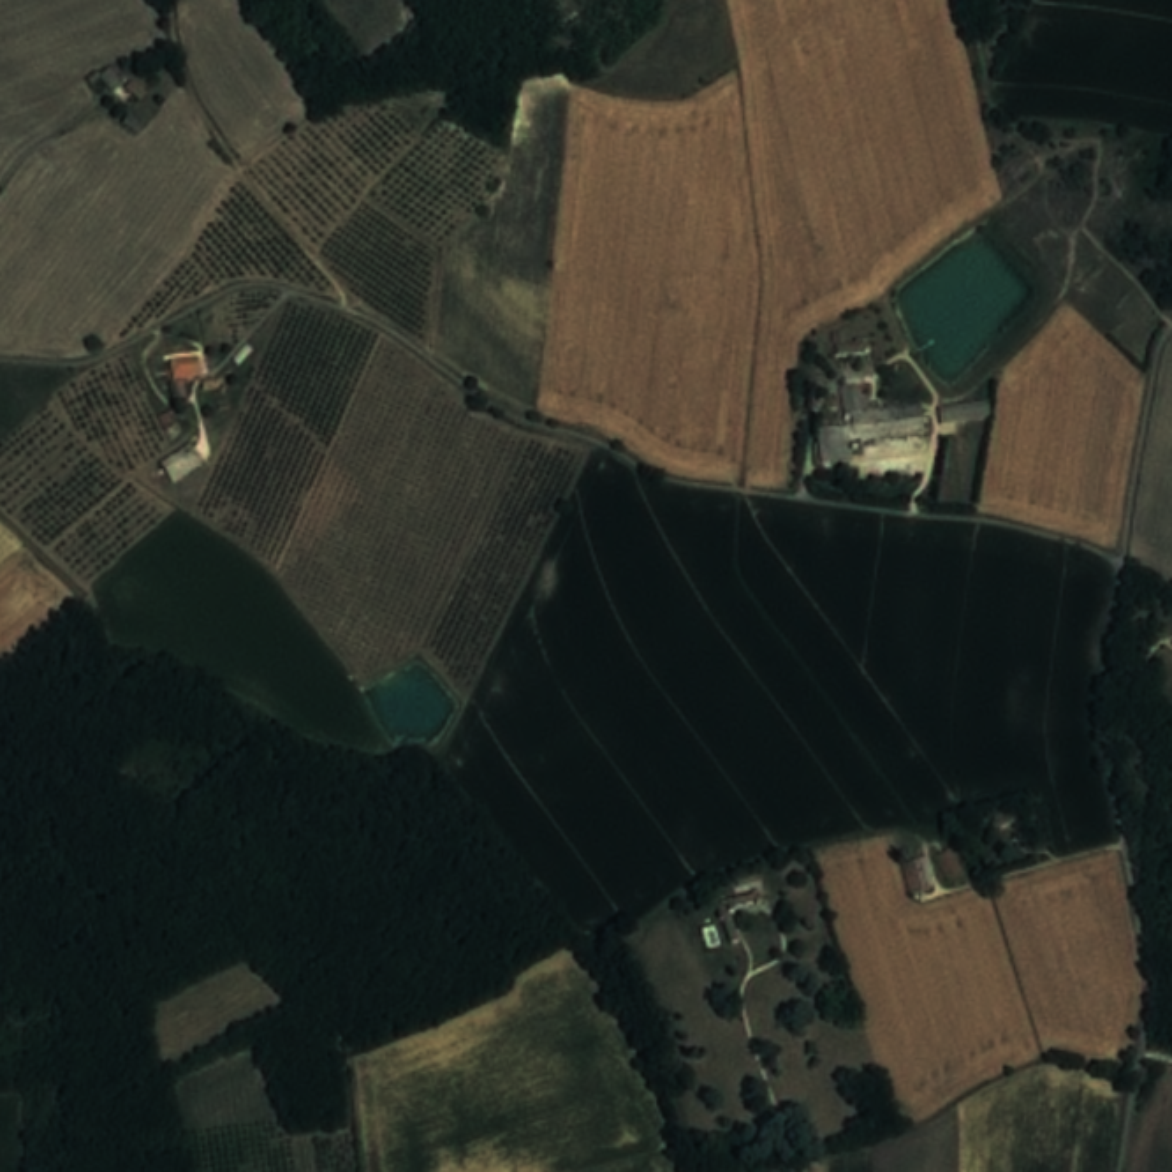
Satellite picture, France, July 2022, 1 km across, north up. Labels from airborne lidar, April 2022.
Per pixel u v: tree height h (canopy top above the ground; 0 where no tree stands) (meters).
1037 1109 0
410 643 0
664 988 0
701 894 22
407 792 25
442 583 0
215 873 18
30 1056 12
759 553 0
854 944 0
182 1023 0
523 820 0
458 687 0
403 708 0
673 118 0
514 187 0
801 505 0
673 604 0
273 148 0
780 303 0
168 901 19
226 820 14
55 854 17
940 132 0
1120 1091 14
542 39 15
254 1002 0
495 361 0
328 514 0
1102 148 0
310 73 16
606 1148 0
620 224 0
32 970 20
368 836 17
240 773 16
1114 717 15
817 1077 0
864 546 0
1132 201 0
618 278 0
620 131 0
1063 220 0
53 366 0
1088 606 0
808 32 0
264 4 16
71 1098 14
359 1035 16
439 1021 11
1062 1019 0
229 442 0
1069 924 0
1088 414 0
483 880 21
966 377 0
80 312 0
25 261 0
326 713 0
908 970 0
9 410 0
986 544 0
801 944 11
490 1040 0
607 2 6
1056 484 0
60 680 18
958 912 0
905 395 0
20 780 17
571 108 0
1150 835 12
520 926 20
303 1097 18
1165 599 11
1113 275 0
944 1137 0
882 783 0
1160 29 0
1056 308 0
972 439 0
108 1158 18
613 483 0
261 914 17
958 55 0
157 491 0
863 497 7
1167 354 0
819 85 0
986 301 0
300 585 0
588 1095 0
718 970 0
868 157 0
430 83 17
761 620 0
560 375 0
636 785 0
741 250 0
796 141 0
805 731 0
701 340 0
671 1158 12
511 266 0
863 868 0
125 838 17
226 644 0
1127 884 0
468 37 14
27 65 0
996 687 0
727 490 0
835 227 0
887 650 0
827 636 0
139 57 14
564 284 0
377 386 0
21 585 0
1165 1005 18
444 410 0
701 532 0
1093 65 0
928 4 0
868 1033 0
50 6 0
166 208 0
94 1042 15
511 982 13
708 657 0
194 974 15
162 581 0
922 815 0
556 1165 0
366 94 17
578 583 0
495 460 0
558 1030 0
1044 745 0
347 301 0
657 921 0
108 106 7
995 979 0
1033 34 0
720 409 0
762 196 0
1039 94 0
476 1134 0
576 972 0
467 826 21
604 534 0
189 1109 0
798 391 11
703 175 0
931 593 0
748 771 0
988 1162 0
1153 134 0
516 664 0
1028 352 0
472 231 0
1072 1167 0
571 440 0
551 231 0
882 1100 19
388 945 19
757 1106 18
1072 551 0
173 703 18
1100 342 0
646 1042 18
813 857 9
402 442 0
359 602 0
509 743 0
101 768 16
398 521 0
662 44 0
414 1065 0
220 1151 6
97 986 20
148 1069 17
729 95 0
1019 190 0
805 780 0
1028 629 0
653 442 0
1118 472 0
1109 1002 0
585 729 0
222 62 0
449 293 0
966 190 0
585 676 0
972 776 0
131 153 0
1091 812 0
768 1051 23
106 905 23
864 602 0
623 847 0
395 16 0
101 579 0
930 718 0
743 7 0
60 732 20
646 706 0
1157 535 0
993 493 0
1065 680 0
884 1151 0
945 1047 0
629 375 0
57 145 0
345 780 19
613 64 11
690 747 0
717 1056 0
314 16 11
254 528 0
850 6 0
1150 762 12
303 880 17
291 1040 16
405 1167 0
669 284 0
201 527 0
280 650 0
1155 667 16
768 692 0
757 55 0
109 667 20
